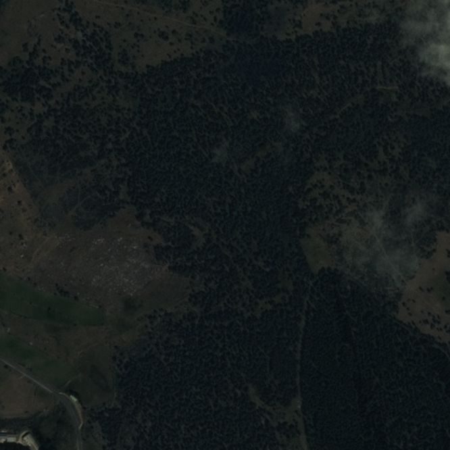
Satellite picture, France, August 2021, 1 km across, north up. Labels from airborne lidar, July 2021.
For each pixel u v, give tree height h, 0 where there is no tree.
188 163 16
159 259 12
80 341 0
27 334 0
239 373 16
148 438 12
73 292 0
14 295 0
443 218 0
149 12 0
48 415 0
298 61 16
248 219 11
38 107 0
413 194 0
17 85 8
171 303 0
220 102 11
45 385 0
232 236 15
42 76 15
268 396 14
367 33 16
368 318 18
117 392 0
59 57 0
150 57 0
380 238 0
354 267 6
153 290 0
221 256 18
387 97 0
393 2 7
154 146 8
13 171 0
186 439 9
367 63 13
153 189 11
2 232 0
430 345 8
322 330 20
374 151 9
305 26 0
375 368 22
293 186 11
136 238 0
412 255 0
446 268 0
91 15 0
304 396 17
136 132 8
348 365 24
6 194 0
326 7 0
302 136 19
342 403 22
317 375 12
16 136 0
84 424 0
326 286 17
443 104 0
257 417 19
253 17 9
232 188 15
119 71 7
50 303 0
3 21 0
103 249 0
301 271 19
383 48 18
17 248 0
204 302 11
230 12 12
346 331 16
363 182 7
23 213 0
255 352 17
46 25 0
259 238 10
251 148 15
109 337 0
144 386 15
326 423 20
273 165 17
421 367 15
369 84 16
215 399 10
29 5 0
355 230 0
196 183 14
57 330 0
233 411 16
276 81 14
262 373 14
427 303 0
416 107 0
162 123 16
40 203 0
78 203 0
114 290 0
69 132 11
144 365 15
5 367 9
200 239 0
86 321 0
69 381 0
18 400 0
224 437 13
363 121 11
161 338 10
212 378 23
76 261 0
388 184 8
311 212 7
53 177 0
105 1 0
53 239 0
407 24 13
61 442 0
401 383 17
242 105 19
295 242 10
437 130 12
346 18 0
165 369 16
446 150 15
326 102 15
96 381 0
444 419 20
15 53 0
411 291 0
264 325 11
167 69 14
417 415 16
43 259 0
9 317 0
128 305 0
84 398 0
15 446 22
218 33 0
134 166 16
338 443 22
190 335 20
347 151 5
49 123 0
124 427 0
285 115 20
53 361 0
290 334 15
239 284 14
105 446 9
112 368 0
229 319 22
